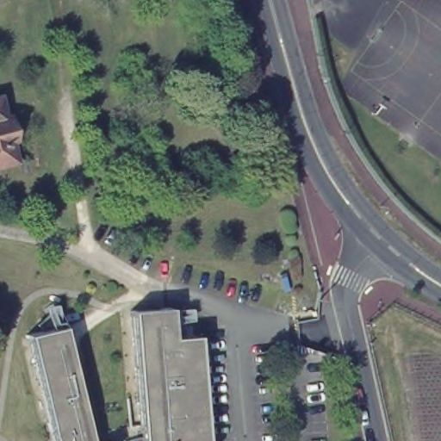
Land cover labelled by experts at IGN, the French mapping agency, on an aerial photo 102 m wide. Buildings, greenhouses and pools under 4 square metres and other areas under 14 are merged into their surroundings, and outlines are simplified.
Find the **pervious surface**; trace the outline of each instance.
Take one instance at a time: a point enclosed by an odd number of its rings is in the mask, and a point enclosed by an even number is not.
[[[98,245],[93,231],[88,203],[81,200],[76,205],[81,226],[79,245],[88,253],[93,252]]]
[[[76,341],[98,322],[109,319],[110,315],[121,314],[127,307],[133,308],[143,298],[138,293],[127,293],[110,303],[100,303],[90,300],[88,293],[79,295],[76,289],[69,289],[65,293],[67,305],[74,312],[84,315],[84,320],[71,326]]]
[[[38,243],[43,239],[38,241],[29,236],[26,229],[0,224],[0,238],[33,245]]]
[[[41,296],[55,300],[60,295],[59,291],[55,288],[45,288],[26,296],[21,301],[21,310]]]
[[[9,386],[12,346],[7,345],[5,353],[0,351],[0,441],[7,441],[2,436],[2,419]]]
[[[57,64],[59,122],[67,150],[65,158],[67,164],[72,167],[81,164],[79,145],[72,138],[74,105],[71,90],[74,78],[69,76],[65,62],[59,60]]]

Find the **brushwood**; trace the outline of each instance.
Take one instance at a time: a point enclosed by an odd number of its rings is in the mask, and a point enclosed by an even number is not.
[[[300,258],[293,250],[286,253],[291,276],[289,286],[295,291],[300,291],[303,284],[298,284],[301,276]]]
[[[424,207],[420,207],[394,179],[386,164],[370,145],[351,103],[341,76],[334,59],[334,50],[327,28],[326,14],[319,12],[315,19],[319,24],[320,43],[324,48],[332,88],[338,96],[351,134],[381,174],[384,183],[393,189],[394,195],[398,196],[424,224],[431,227],[434,233],[441,236],[441,222],[434,219]]]

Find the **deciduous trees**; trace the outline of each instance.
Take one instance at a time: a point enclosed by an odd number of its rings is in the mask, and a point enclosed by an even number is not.
[[[28,55],[21,60],[21,64],[17,65],[17,78],[21,79],[22,83],[34,84],[45,71],[47,60],[57,64],[59,60],[65,62],[69,76],[74,78],[71,90],[74,105],[78,100],[83,100],[98,91],[98,78],[84,78],[84,71],[90,71],[95,67],[93,55],[88,48],[74,45],[74,36],[67,29],[48,28],[45,31],[45,41],[34,47],[40,55]]]
[[[65,252],[59,252],[55,246],[41,250],[38,269],[45,272],[52,272],[55,265],[60,265]]]
[[[43,176],[36,179],[33,186],[24,186],[24,183],[19,181],[12,183],[9,177],[3,174],[0,176],[0,224],[26,229],[29,236],[38,241],[43,239],[53,234],[50,219],[53,208],[64,212],[65,205],[76,205],[81,200],[88,203],[93,231],[100,226],[114,227],[115,234],[114,239],[110,241],[109,252],[126,262],[129,262],[131,257],[157,257],[158,250],[164,248],[171,234],[172,219],[181,219],[184,222],[186,231],[177,241],[181,250],[188,252],[200,241],[200,220],[191,219],[186,222],[181,217],[181,212],[203,207],[205,202],[212,200],[215,195],[226,195],[229,202],[241,203],[248,210],[264,207],[269,198],[277,207],[283,207],[283,214],[277,217],[279,233],[262,234],[255,241],[253,260],[257,264],[267,265],[277,260],[283,250],[284,239],[295,236],[296,226],[295,214],[291,212],[293,196],[298,191],[295,155],[288,148],[286,133],[274,124],[274,117],[270,115],[270,105],[265,100],[264,93],[258,90],[262,74],[255,52],[248,43],[248,36],[252,31],[234,10],[231,0],[95,0],[96,3],[107,5],[112,16],[117,16],[119,12],[126,19],[127,26],[153,28],[158,34],[160,26],[167,24],[167,16],[174,17],[174,26],[177,26],[176,40],[179,41],[179,45],[189,52],[200,52],[203,48],[208,48],[210,57],[219,62],[222,74],[215,78],[207,72],[176,69],[169,76],[165,76],[160,65],[148,71],[145,57],[141,53],[126,53],[119,60],[115,83],[110,84],[107,98],[102,103],[103,109],[109,110],[109,133],[112,136],[110,143],[105,143],[102,131],[95,127],[95,109],[74,105],[72,138],[79,145],[81,164],[72,167],[71,171],[65,172],[65,176]],[[177,172],[172,171],[167,158],[167,146],[162,141],[162,133],[158,131],[158,122],[167,121],[165,115],[171,105],[174,109],[181,110],[181,114],[186,117],[181,122],[184,126],[210,131],[214,127],[214,121],[220,121],[219,140],[231,150],[231,164],[222,164],[222,160],[212,150],[202,148],[196,152],[184,153],[181,158],[181,169]]]
[[[267,394],[272,400],[265,434],[272,439],[286,436],[289,441],[300,441],[298,417],[293,403],[289,401],[289,384],[295,381],[303,369],[303,358],[289,343],[279,343],[265,351],[262,363],[258,363],[258,367],[265,376],[264,389],[267,389]]]
[[[329,353],[324,353],[319,362],[322,384],[326,386],[322,396],[326,396],[324,405],[327,424],[338,425],[339,429],[357,425],[358,429],[362,424],[363,412],[353,405],[351,400],[358,379],[353,376],[350,357],[339,357]]]
[[[214,248],[224,260],[231,260],[241,243],[245,241],[245,224],[241,220],[224,220],[220,224],[219,233],[215,234]]]
[[[33,110],[33,114],[29,115],[28,129],[22,131],[21,146],[12,155],[19,160],[33,160],[33,153],[29,150],[34,146],[33,136],[40,133],[41,127],[45,126],[45,117]]]

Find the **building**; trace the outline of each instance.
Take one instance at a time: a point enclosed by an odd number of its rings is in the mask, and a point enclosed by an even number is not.
[[[71,326],[60,319],[64,315],[62,307],[55,307],[50,303],[43,310],[43,314],[50,315],[53,331],[36,336],[29,334],[22,339],[22,345],[26,348],[31,386],[38,396],[38,412],[41,420],[47,424],[50,441],[100,441],[76,341]]]
[[[169,308],[152,312],[134,312],[133,308],[127,307],[121,314],[122,331],[126,331],[126,336],[122,338],[122,360],[127,388],[127,436],[122,441],[215,441],[208,339],[186,339],[181,332],[183,324],[191,324],[198,320],[196,310]]]
[[[21,146],[22,131],[16,119],[9,115],[7,96],[0,95],[0,171],[16,167],[19,160],[12,155]]]

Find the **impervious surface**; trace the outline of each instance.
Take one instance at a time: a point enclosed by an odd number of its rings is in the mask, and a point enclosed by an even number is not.
[[[215,441],[289,441],[286,436],[272,439],[265,434],[272,400],[267,394],[267,389],[264,389],[265,376],[258,367],[258,363],[262,363],[265,351],[279,343],[289,343],[303,358],[303,369],[295,381],[289,384],[289,401],[293,403],[298,417],[300,441],[327,441],[327,424],[324,405],[326,396],[322,396],[326,386],[322,384],[319,362],[324,353],[329,353],[339,357],[350,357],[353,376],[358,379],[351,400],[353,405],[363,412],[362,424],[358,429],[357,436],[351,441],[393,441],[384,410],[384,389],[381,389],[381,382],[377,377],[376,362],[374,358],[367,360],[365,353],[370,346],[370,334],[374,334],[372,322],[386,308],[400,305],[408,308],[412,314],[420,315],[432,324],[441,326],[441,267],[432,264],[429,258],[420,255],[407,241],[403,241],[398,233],[394,233],[382,220],[381,215],[365,202],[362,193],[351,183],[345,167],[332,150],[329,136],[332,136],[357,175],[383,208],[393,215],[407,233],[441,258],[441,236],[434,233],[431,227],[424,224],[398,196],[394,195],[393,189],[384,183],[381,174],[351,134],[338,96],[332,88],[324,48],[320,43],[319,24],[315,19],[319,12],[326,14],[327,28],[334,50],[341,43],[353,50],[353,60],[348,74],[341,76],[351,103],[358,100],[367,109],[376,112],[382,121],[391,124],[400,133],[401,141],[407,141],[408,146],[419,143],[427,152],[441,160],[441,0],[231,0],[234,10],[252,31],[248,36],[248,43],[255,52],[262,74],[258,90],[264,93],[265,100],[270,105],[270,115],[274,117],[274,124],[286,133],[288,148],[295,155],[298,191],[293,196],[291,212],[295,214],[296,226],[300,227],[301,236],[305,239],[308,257],[319,288],[315,310],[310,317],[276,314],[260,298],[260,286],[248,286],[248,283],[226,277],[222,272],[202,272],[191,269],[189,265],[179,272],[174,272],[172,269],[176,264],[176,255],[169,260],[157,257],[131,257],[129,262],[126,262],[109,252],[105,252],[98,245],[93,252],[88,253],[79,245],[81,226],[76,205],[65,205],[64,212],[53,208],[50,219],[53,234],[43,239],[38,243],[41,250],[55,246],[59,252],[65,252],[84,262],[90,269],[98,270],[124,284],[127,293],[138,293],[143,298],[133,308],[134,312],[152,312],[169,308],[196,310],[198,320],[191,324],[183,324],[181,332],[186,339],[208,339]]]

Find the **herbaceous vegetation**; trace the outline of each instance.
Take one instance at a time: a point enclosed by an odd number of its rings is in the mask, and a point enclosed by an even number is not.
[[[114,239],[115,234],[114,227],[100,226],[93,231],[98,245],[105,252],[109,252],[110,241]]]
[[[327,441],[351,441],[357,436],[358,429],[357,425],[339,429],[338,425],[327,424]]]
[[[391,124],[382,121],[376,112],[367,109],[358,100],[351,103],[370,145],[386,164],[394,179],[420,207],[424,207],[434,219],[441,222],[441,160],[427,152],[419,143],[408,146],[407,141],[401,141],[400,133]]]
[[[76,289],[79,295],[88,293],[90,300],[100,303],[110,303],[127,293],[124,284],[98,270],[90,269],[84,262],[65,252],[60,265],[55,265],[52,272],[45,272],[38,269],[41,250],[38,243],[33,245],[0,238],[0,351],[5,353],[7,345],[12,346],[9,386],[2,419],[2,436],[7,441],[50,441],[47,424],[41,420],[38,412],[38,396],[31,386],[26,348],[22,345],[22,339],[29,334],[36,336],[53,331],[50,315],[43,314],[43,310],[50,303],[55,307],[62,307],[64,315],[60,319],[71,326],[84,320],[84,315],[74,312],[67,305],[65,293],[69,289]],[[55,300],[41,296],[21,310],[21,301],[26,296],[45,288],[55,288],[59,291],[60,295]]]
[[[432,324],[420,315],[412,314],[408,308],[400,305],[386,308],[372,322],[374,334],[370,334],[370,346],[365,353],[367,360],[374,358],[376,362],[377,377],[381,382],[381,389],[384,389],[384,410],[393,441],[420,441],[410,408],[410,394],[405,384],[408,369],[405,357],[408,353],[434,353],[441,357],[441,326]]]
[[[398,233],[403,241],[407,241],[420,255],[429,258],[432,264],[441,267],[441,258],[407,233],[393,215],[383,208],[357,175],[332,136],[329,136],[332,150],[345,167],[351,183],[362,193],[365,202],[381,215],[382,220],[394,233]]]
[[[222,164],[231,164],[231,150],[219,140],[220,121],[214,121],[214,127],[210,131],[184,126],[181,122],[186,117],[181,114],[181,110],[174,109],[171,105],[165,115],[167,121],[158,122],[158,131],[162,133],[162,141],[167,146],[167,158],[172,171],[177,172],[181,169],[181,158],[184,153],[196,152],[202,148],[212,150],[222,160]]]
[[[184,222],[181,219],[172,219],[171,234],[164,248],[158,250],[157,257],[169,260],[176,255],[176,264],[172,269],[174,272],[179,272],[189,265],[191,269],[202,272],[222,272],[226,277],[248,283],[248,286],[260,286],[260,298],[276,314],[310,317],[315,310],[319,288],[308,257],[305,239],[301,236],[300,227],[296,226],[295,236],[284,239],[283,250],[277,260],[267,265],[257,264],[253,260],[255,241],[262,234],[279,233],[277,217],[283,214],[283,207],[277,207],[269,198],[264,207],[248,210],[241,203],[229,202],[226,195],[215,195],[212,200],[205,202],[203,207],[181,212],[181,217],[186,222],[191,219],[200,220],[200,241],[188,252],[181,250],[177,241],[186,231]],[[224,220],[241,220],[245,224],[245,241],[241,243],[231,260],[224,260],[214,248],[215,234],[219,233],[220,224]],[[289,286],[291,276],[286,253],[293,250],[300,258],[301,276],[298,284],[303,284],[300,291],[295,291]]]
[[[341,76],[348,74],[353,60],[353,50],[341,43],[334,50],[334,59]]]
[[[0,171],[0,176],[3,174],[9,177],[12,183],[19,181],[24,183],[24,186],[33,186],[36,179],[43,176],[65,176],[65,172],[71,171],[72,167],[67,164],[65,158],[67,150],[59,122],[57,64],[47,60],[45,71],[34,84],[22,83],[21,79],[17,78],[17,65],[21,64],[21,60],[28,55],[40,55],[34,47],[45,41],[45,31],[48,28],[67,29],[74,36],[74,45],[88,48],[93,55],[95,67],[90,71],[84,71],[84,78],[98,78],[98,91],[83,100],[78,100],[74,105],[95,109],[95,127],[102,131],[105,143],[110,143],[112,136],[109,133],[109,110],[103,109],[102,103],[107,98],[110,84],[115,83],[119,60],[126,53],[141,53],[145,57],[148,71],[160,65],[165,76],[169,76],[176,69],[207,72],[215,78],[222,74],[219,62],[210,57],[208,48],[203,48],[200,52],[189,52],[179,45],[179,41],[176,40],[177,26],[174,26],[174,17],[167,16],[167,24],[160,26],[158,34],[153,28],[127,26],[126,19],[119,12],[117,16],[112,16],[107,5],[96,3],[95,0],[0,0],[0,95],[7,96],[9,115],[16,119],[22,131],[28,129],[29,115],[33,114],[33,110],[45,117],[45,126],[41,127],[40,133],[33,136],[34,146],[29,150],[33,153],[33,160],[19,160],[16,167]]]
[[[122,441],[127,436],[127,388],[122,360],[122,338],[126,336],[126,331],[122,331],[121,314],[110,315],[109,319],[98,322],[76,341],[100,441]]]

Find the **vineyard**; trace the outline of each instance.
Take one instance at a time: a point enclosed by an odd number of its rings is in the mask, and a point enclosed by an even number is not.
[[[405,384],[410,394],[410,408],[420,441],[441,441],[441,357],[434,353],[408,353],[405,357],[408,369]]]

